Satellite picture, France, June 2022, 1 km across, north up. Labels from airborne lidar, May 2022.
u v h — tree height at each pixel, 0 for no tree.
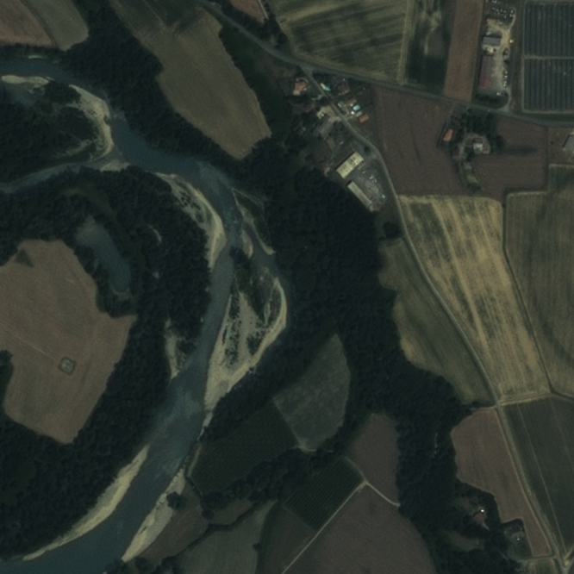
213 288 0
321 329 41
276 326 0
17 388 0
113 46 20
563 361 0
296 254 28
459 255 0
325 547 0
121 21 9
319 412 0
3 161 27
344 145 0
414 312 0
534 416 0
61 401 0
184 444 0
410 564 0
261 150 19
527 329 0
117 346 0
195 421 0
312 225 24
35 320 0
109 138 0
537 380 0
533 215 0
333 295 23
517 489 0
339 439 8
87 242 0
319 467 10
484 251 0
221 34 9
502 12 0
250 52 0
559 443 0
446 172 0
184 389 0
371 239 18
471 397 0
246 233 0
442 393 28
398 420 18
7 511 18
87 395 0
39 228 27
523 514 0
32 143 24
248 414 12
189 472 0
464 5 0
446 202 0
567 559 0
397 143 0
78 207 23
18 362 0
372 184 0
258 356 0
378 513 0
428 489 25
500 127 0
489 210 0
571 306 0
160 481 0
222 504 30
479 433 0
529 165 0
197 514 0
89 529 0
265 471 28
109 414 23
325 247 9
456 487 21
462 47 0
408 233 0
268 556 0
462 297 0
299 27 0
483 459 0
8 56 28
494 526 12
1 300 0
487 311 0
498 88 0
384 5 0
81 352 0
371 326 27
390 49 0
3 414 0
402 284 0
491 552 21
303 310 34
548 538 0
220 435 14
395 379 28
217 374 0
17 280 0
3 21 0
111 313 20
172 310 9
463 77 0
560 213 0
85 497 24
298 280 37
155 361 18
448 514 27
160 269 20
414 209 0
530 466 0
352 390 5
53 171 0
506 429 0
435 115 0
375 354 19
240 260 27
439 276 0
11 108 19
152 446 0
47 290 0
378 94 0
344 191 16
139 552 0
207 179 0
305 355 42
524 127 0
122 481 0
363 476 0
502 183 0
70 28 0
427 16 0
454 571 7
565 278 0
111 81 19
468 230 0
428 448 19
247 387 27
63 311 0
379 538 0
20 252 0
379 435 0
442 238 0
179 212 8
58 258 0
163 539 0
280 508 0
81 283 0
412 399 28
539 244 0
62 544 0
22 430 19
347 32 0
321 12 0
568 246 0
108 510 0
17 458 27
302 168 7
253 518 0
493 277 0
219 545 0
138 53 24
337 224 26
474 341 0
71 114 7
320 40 0
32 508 29
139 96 18
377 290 24
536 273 0
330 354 0
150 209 33
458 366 0
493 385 0
